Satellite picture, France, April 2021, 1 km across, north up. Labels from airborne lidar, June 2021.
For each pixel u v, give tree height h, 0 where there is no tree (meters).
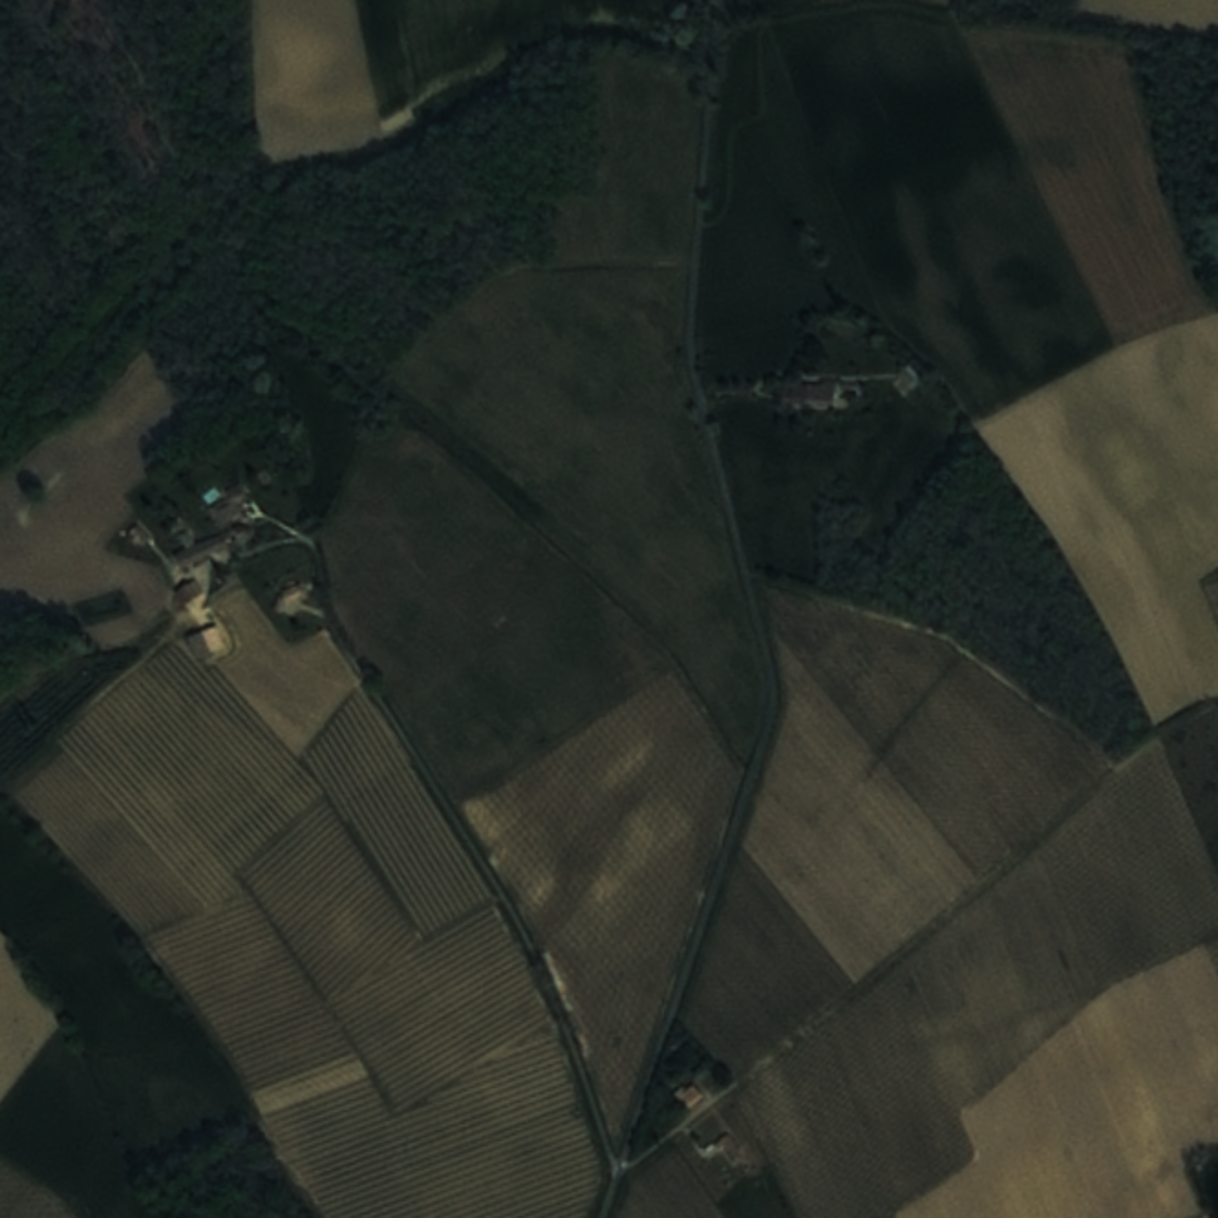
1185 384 0
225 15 27
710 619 0
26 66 26
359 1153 0
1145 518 0
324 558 15
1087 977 0
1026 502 17
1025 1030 0
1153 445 0
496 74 0
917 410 0
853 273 0
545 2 0
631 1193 0
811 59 0
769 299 0
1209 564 0
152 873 0
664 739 0
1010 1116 0
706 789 0
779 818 0
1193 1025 0
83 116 21
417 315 21
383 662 0
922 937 0
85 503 0
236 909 0
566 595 0
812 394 0
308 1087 0
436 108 0
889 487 0
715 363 0
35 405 21
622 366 0
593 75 21
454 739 0
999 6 21
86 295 22
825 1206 0
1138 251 0
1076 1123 0
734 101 0
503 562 0
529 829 0
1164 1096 0
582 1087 0
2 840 0
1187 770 0
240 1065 0
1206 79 18
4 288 23
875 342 13
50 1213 0
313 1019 0
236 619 0
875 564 18
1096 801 0
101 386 22
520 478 0
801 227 7
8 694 23
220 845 0
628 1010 0
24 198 26
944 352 0
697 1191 0
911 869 0
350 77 0
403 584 0
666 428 0
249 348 21
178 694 0
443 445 0
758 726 0
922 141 0
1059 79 0
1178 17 0
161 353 14
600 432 0
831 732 0
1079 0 18
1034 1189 0
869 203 0
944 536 19
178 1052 0
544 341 0
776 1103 0
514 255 21
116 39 15
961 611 14
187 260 21
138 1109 0
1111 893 0
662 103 0
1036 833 0
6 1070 0
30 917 0
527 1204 0
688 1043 6
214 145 30
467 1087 0
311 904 0
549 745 0
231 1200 27
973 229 0
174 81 22
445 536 0
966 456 21
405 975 0
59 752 0
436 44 0
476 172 23
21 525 0
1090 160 0
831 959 0
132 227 26
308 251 18
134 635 0
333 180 15
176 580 0
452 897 0
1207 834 0
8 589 0
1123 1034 0
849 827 0
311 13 0
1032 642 17
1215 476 0
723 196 0
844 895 0
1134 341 0
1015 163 0
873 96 0
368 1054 0
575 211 0
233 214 23
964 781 0
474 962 0
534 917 0
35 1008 0
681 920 0
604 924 0
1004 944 0
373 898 0
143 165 16
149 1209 9
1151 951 0
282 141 0
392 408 9
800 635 0
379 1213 0
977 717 0
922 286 0
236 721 0
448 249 10
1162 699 0
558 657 0
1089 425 0
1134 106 0
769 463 0
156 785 0
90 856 0
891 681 0
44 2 11
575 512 0
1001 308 0
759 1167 0
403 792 0
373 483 0
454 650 0
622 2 0
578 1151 0
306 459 17
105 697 0
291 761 0
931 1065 0
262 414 21
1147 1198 0
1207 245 13
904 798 0
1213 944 0
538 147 27
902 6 0
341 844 0
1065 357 0
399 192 25
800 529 0
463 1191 0
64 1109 0
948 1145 0
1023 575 17
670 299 0
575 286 0
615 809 0
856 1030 0
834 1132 0
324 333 18
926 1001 0
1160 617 0
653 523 0
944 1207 0
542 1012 0
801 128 0
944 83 0
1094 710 17
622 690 0
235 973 0
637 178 0
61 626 22
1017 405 0
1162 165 7
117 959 0
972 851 0
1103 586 0
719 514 0
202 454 15
